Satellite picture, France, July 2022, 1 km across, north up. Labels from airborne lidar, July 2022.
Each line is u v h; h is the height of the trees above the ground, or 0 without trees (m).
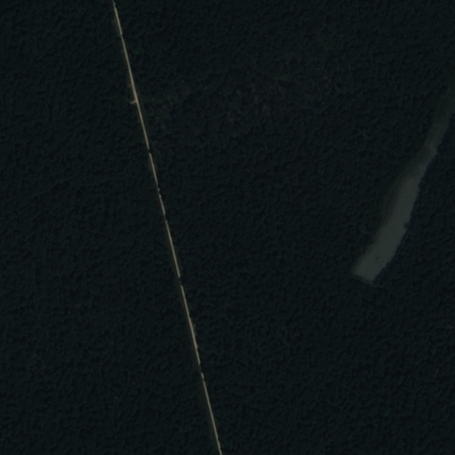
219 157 27
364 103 20
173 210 23
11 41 22
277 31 29
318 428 22
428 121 21
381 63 24
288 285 29
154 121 23
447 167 17
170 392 25
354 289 14
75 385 25
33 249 29
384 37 29
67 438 28
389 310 25
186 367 26
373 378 24
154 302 29
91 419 20
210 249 24
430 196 17
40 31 22
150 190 29
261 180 16
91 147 26
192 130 31
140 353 28
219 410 22
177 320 25
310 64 27
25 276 23
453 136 22
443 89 19
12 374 29
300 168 28
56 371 23
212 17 22
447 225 24
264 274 29
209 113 26
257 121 22
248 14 25
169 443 24
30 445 27
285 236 26
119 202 24
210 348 22
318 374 20
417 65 22
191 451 21
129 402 25
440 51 25
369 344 21
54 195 24
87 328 26
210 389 14
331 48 22
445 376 27
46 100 23
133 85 0
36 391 26
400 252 9
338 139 28
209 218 26
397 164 27
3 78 20
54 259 25
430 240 25
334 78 27
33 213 27
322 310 24
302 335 29
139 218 25
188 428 25
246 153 23
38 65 26
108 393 29
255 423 26
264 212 28
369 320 26
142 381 28
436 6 23
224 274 28
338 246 23
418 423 19
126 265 27
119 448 23
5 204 30
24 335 21
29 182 29
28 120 25
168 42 27
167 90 27
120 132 15
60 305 22
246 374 24
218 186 30
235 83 23
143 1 22
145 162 20
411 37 26
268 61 25
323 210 22
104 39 26
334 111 23
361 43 27
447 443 33
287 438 17
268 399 19
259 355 29
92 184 16
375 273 0
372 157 20
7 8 23
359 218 25
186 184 28
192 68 25
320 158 25
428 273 26
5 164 22
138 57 25
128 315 29
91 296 29
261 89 26
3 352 27
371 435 22
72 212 23
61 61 23
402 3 26
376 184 30
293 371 31
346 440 24
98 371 29
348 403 22
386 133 27
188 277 26
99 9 22
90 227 10
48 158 18
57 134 26
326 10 21
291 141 25
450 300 27
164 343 26
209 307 27
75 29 27
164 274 22
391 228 0
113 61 28
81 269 28
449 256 24
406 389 13
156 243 28
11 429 20
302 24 28
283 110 25
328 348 18
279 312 22
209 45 26
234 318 20
